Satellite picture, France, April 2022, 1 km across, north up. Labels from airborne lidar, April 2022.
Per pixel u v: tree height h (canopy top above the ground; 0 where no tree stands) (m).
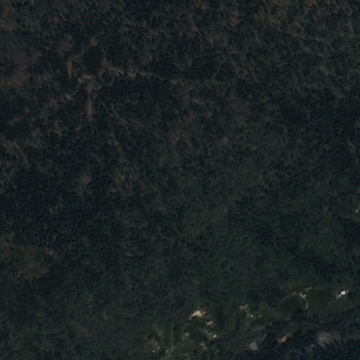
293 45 19
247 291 18
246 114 32
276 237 7
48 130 14
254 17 18
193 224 5
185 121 30
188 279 13
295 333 0
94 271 13
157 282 16
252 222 18
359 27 33
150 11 27
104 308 24
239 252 8
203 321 0
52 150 22
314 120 36
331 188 16
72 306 7
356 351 23
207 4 20
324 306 7
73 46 19
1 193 19
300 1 24
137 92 29
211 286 20
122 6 19
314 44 26
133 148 36
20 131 18
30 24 6
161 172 22
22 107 21
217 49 34
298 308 0
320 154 21
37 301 23
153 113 31
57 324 22
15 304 15
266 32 20
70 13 18
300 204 14
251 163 16
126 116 24
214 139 27
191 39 24
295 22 33
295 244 18
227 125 27
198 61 21
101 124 8
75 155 34
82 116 10
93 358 26
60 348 17
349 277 14
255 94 22
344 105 11
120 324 9
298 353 0
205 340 10
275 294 27
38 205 32
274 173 32
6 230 26
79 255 37
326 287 22
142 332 11
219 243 16
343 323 26
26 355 20
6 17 0
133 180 10
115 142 26
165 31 20
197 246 26
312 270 18
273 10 20
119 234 23
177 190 28
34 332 11
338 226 22
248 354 20
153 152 20
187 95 29
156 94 22
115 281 13
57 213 8
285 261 17
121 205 34
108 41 24
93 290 21
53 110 19
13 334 16
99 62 20
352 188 25
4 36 23
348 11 32
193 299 14
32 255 0
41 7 20
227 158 31
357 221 9
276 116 37
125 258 29
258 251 25
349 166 17
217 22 26
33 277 8
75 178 14
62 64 30
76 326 19
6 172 15
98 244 31
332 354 19
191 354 0
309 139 19
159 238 21
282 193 24
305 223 21
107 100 24
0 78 22
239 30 16
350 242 19
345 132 21
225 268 26
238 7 15
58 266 22
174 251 26
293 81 23
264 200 31
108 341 10
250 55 20
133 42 21
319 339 0
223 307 18
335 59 25
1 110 26
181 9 22
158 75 25
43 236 29
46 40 22
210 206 16
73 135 21
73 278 15
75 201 13
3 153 10
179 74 20
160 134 8
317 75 27
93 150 21
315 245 16
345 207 8
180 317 8
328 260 22
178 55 13
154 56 39
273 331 32
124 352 10
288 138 26
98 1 21
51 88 9
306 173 23
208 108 33
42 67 23
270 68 21
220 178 14
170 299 15
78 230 24
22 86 24
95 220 26
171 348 0
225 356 8
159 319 16
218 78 13
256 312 15
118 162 21
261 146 30
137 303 17
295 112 24
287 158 28
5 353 20
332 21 24
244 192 21
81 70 30
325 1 26
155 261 19
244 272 23
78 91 10
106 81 16
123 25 13
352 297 19
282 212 15
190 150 31
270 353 24
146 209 21
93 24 22
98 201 29
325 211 24
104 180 22
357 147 25
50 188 23
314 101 26
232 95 35
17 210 29
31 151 25
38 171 7
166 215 9
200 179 17
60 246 27
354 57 10
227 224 8
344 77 30
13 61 28
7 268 7
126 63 27
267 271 9
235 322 0
